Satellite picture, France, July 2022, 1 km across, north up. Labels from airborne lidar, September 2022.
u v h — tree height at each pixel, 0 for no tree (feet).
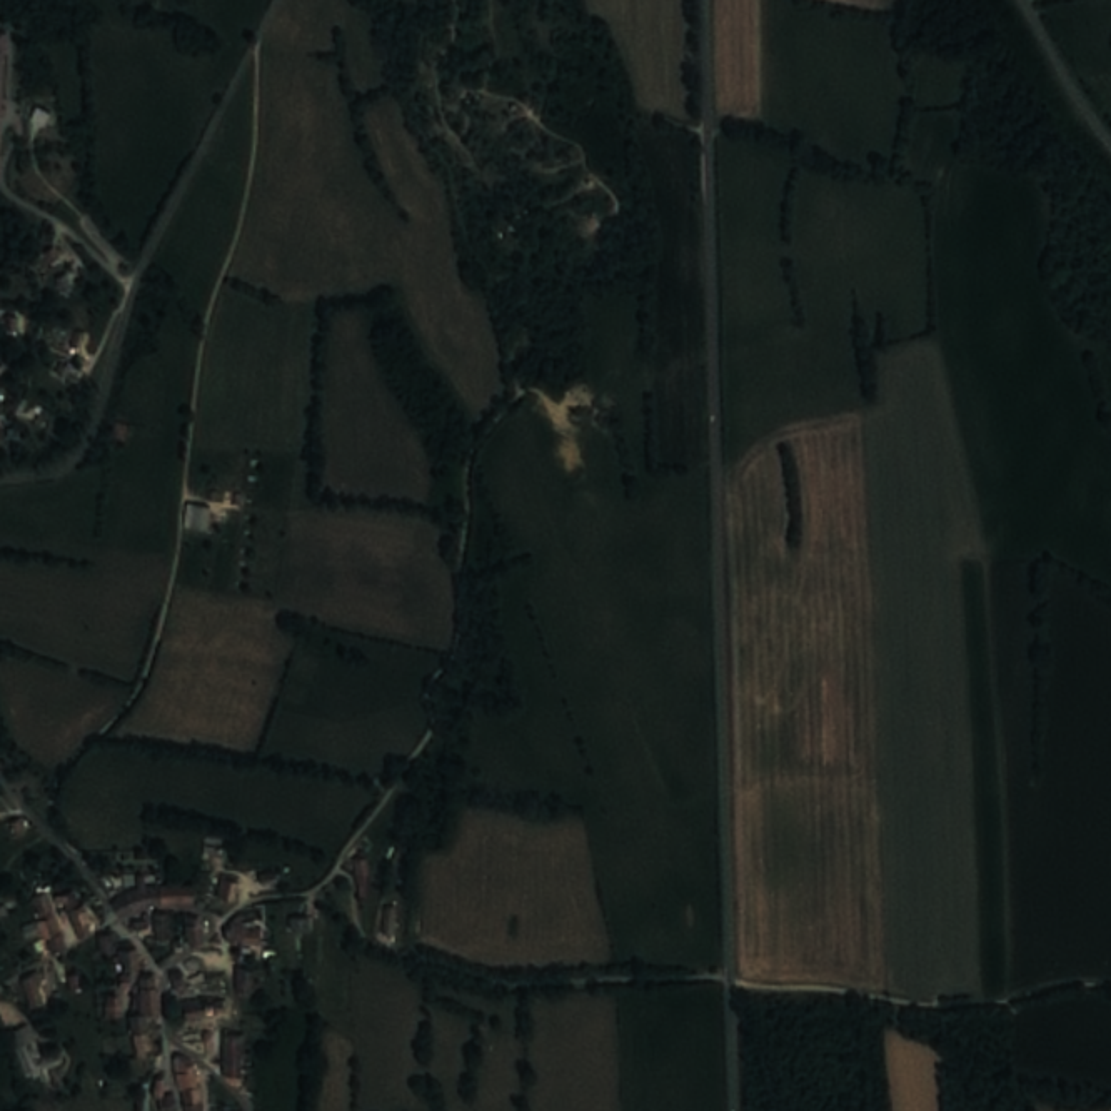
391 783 44
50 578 0
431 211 0
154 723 0
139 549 0
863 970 0
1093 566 0
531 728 0
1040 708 30
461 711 63
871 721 0
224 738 0
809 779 0
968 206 0
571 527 0
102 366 0
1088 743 0
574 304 44
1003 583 0
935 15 40
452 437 36
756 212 0
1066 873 0
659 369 0
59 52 0
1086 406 0
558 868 0
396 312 40
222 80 0
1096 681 0
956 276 0
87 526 0
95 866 54
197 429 0
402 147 0
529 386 26
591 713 0
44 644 0
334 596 0
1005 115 43
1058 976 0
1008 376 0
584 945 0
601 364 0
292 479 0
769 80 0
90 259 27
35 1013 22
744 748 0
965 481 0
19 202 0
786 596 0
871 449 0
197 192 0
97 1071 0
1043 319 0
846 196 0
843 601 0
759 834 0
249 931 0
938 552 0
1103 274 38
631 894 0
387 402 0
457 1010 27
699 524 0
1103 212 46
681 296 0
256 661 0
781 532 0
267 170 0
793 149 45
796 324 31
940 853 0
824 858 0
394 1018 0
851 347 0
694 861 0
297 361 0
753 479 0
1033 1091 46
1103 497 0
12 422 49
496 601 50
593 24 33
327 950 0
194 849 0
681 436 0
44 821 0
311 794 0
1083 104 0
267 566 0
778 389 0
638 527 0
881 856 0
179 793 0
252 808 0
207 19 0
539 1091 0
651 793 0
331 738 0
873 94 0
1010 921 0
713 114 0
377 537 0
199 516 0
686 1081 0
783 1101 69
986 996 0
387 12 47
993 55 45
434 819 21
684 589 0
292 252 0
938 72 0
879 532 0
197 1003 0
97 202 37
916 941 0
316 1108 55
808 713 0
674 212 0
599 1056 0
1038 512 0
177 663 0
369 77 0
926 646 0
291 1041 0
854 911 0
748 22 0
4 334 25
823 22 0
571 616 0
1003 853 0
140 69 0
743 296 0
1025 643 0
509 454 0
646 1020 0
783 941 0
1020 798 0
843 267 0
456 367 0
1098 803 0
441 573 0
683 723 0
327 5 0
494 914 0
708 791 0
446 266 0
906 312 0
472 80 45
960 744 0
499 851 0
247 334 0
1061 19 0
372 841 0
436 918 0
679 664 0
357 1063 37
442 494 0
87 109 40
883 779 0
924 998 0
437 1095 53
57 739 0
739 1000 62
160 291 62
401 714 0
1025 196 0
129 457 0
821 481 0
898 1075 0
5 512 0
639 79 0
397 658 0
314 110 0
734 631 0
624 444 50
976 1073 69
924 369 0
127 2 48
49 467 56
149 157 0
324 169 0
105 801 0
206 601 0
